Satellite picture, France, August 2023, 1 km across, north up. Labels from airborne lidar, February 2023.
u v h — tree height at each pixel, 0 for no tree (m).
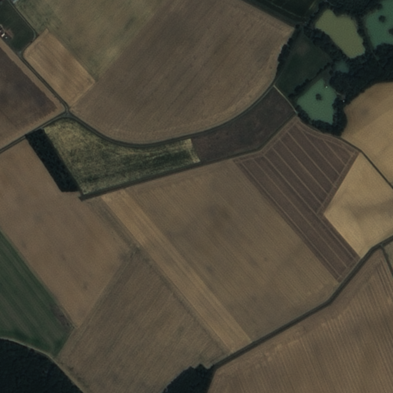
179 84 0
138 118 0
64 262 0
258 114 0
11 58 0
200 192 0
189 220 0
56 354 0
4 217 0
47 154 15
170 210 0
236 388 0
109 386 0
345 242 0
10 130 0
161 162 0
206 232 0
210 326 0
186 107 0
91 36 0
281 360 0
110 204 0
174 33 0
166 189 0
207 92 0
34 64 0
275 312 0
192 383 19
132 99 0
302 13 0
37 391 20
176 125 0
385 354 0
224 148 0
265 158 0
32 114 0
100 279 0
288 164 0
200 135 0
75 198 0
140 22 0
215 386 0
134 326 0
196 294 0
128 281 0
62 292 0
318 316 0
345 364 0
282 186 0
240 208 0
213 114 0
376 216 0
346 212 0
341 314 0
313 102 0
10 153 0
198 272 0
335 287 0
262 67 0
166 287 0
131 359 0
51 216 0
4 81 0
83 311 0
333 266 0
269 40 0
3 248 0
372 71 15
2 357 19
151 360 0
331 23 0
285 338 0
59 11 0
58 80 0
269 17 0
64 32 0
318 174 0
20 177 0
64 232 0
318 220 0
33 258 0
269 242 0
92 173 0
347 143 0
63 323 0
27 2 0
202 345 0
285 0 0
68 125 0
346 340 0
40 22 0
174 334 0
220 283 0
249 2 0
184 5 0
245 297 0
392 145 0
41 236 0
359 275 0
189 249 0
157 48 0
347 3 6
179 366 0
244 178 0
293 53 0
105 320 0
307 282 0
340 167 0
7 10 0
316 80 0
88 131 0
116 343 0
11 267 0
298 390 0
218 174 0
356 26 0
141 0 0
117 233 0
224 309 0
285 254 0
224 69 0
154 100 0
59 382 22
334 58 7
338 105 14
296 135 0
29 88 0
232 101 0
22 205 0
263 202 0
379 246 0
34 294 0
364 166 0
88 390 0
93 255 0
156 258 0
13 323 0
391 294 0
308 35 8
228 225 0
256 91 0
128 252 0
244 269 0
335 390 0
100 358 0
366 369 0
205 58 0
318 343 0
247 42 0
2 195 0
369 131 0
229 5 0
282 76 0
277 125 0
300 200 0
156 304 0
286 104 0
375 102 0
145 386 0
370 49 7
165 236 0
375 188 0
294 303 0
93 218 0
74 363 0
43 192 0
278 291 0
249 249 0
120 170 0
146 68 0
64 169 18
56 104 0
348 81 20
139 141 0
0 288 0
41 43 0
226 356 0
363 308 0
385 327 0
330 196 0
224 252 0
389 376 0
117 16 0
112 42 0
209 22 0
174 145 0
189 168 0
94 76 0
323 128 13
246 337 0
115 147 0
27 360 20
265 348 0
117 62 0
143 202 0
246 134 0
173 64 0
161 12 0
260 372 0
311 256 0
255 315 0
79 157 0
